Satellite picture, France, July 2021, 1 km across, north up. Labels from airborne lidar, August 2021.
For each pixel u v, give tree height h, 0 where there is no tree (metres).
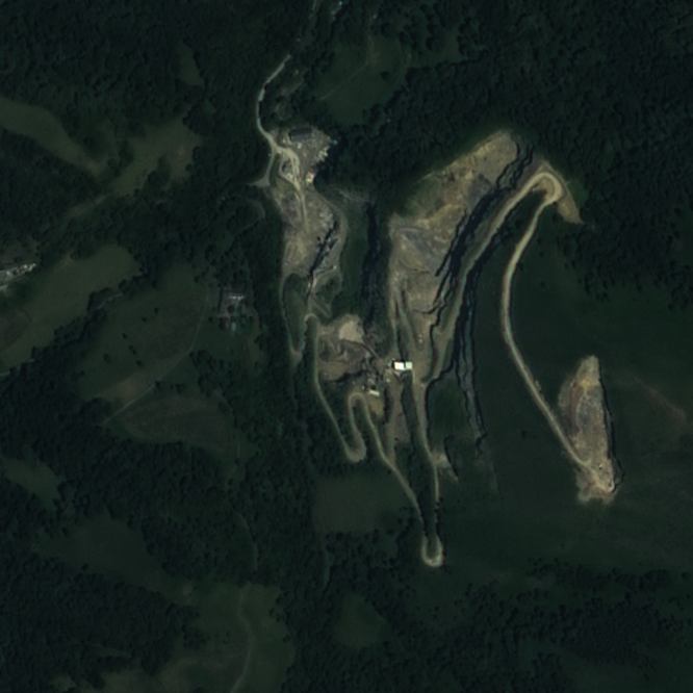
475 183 0
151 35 27
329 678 11
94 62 26
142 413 0
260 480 22
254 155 8
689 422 0
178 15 27
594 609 13
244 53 21
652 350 0
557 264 0
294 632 9
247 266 14
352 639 0
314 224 0
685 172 25
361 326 0
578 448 0
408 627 10
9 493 24
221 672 0
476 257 0
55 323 0
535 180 0
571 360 0
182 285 0
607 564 0
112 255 0
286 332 23
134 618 10
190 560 8
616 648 13
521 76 21
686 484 0
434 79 28
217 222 19
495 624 18
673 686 0
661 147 22
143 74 35
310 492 9
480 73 24
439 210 0
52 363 23
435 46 24
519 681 14
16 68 18
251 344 0
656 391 0
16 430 23
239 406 22
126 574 0
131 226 8
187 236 28
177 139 0
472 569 0
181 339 0
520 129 15
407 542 22
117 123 17
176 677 0
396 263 0
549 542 0
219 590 0
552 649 0
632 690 0
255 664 0
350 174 16
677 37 23
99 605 9
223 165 20
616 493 0
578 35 27
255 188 14
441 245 0
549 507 0
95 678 22
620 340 0
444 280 0
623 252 19
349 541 22
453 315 0
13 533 25
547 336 0
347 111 0
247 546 13
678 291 12
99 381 0
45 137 0
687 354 0
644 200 20
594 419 0
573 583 16
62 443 20
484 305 0
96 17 25
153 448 14
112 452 21
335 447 10
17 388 23
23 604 9
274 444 24
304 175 0
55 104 14
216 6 26
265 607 0
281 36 28
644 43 27
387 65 0
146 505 16
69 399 33
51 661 21
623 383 0
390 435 0
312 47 8
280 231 12
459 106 24
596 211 26
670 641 13
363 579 13
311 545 19
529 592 8
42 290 0
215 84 16
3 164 9
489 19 19
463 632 15
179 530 16
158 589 0
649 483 0
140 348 0
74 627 12
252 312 0
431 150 19
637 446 0
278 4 21
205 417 0
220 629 0
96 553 0
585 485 0
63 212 12
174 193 10
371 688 9
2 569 20
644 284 11
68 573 17
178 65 24
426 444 0
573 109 27
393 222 0
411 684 11
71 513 20
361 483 0
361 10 22
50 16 27
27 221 18
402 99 23
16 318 0
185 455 24
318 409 11
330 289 12
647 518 0
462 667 15
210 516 10
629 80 23
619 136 8
